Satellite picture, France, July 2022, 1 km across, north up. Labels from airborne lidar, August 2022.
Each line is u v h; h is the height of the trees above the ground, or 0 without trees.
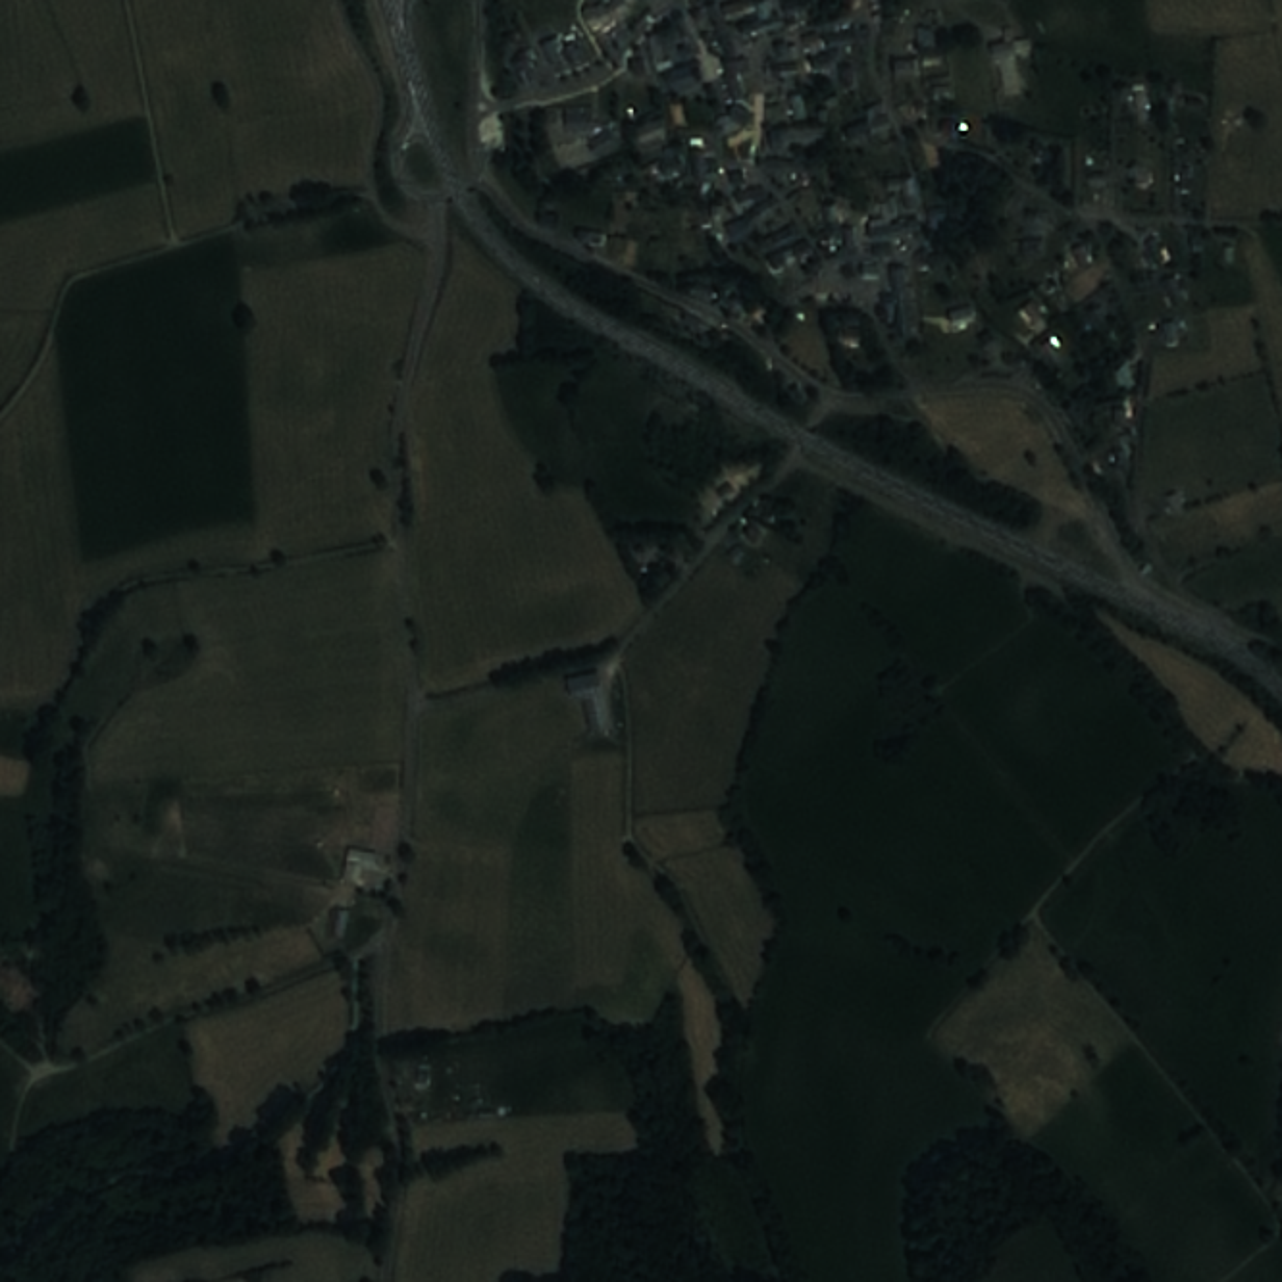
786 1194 0
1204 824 11
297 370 0
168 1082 0
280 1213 20
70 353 0
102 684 0
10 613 0
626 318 13
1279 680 0
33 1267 11
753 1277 23
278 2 0
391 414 7
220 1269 0
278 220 12
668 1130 23
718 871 0
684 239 0
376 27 0
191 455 0
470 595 0
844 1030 0
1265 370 6
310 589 0
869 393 14
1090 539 0
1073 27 0
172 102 0
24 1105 0
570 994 0
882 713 0
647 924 0
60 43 0
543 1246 0
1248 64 0
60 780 9
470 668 0
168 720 0
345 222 0
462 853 0
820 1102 0
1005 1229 12
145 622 0
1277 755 0
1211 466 0
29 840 6
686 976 0
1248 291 0
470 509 0
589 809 0
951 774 0
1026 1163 24
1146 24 0
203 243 0
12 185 0
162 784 0
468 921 0
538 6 0
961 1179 20
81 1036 0
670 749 0
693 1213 21
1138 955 0
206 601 0
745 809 0
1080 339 7
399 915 12
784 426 0
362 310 0
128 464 0
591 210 0
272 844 0
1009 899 0
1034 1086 0
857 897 0
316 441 0
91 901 13
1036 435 0
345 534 0
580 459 0
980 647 0
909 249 0
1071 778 0
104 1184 13
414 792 0
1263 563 0
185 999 0
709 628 0
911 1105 0
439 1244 0
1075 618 8
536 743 0
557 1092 0
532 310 12
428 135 0
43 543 0
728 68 0
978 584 0
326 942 0
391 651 0
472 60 0
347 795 0
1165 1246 0
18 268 0
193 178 0
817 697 0
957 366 0
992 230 16
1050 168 16
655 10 0
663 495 0
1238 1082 0
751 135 0
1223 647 0
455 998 0
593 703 0
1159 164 0
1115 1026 0
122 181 0
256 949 0
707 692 0
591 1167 11
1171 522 0
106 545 0
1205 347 0
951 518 0
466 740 0
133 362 0
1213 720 0
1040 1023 0
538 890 0
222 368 0
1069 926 0
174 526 0
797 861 0
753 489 12
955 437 0
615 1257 11
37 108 0
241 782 0
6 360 0
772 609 0
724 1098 21
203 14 0
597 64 6
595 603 0
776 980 0
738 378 8
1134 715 0
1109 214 0
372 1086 12
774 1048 0
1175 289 0
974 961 0
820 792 0
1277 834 0
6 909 0
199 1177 24
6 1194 13
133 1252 10
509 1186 0
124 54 0
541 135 13
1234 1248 0
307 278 0
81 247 0
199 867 0
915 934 0
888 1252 0
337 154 0
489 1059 0
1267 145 0
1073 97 0
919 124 7
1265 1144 0
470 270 0
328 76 0
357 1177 18
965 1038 0
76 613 0
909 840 0
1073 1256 18
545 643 0
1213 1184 0
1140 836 0
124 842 0
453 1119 0
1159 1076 0
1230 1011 0
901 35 0
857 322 9
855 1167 0
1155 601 0
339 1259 0
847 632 0
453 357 0
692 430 9
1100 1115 0
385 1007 0
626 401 0
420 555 0
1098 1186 0
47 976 11
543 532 0
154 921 0
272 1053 0
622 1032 15
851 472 0
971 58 0
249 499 0
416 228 0
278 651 0
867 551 0
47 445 0
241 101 0
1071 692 0
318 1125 18
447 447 0
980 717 0
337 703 0
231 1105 0
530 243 9
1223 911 0
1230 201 0
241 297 0
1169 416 0
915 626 0
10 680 0
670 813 0
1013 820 0
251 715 0
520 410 0
